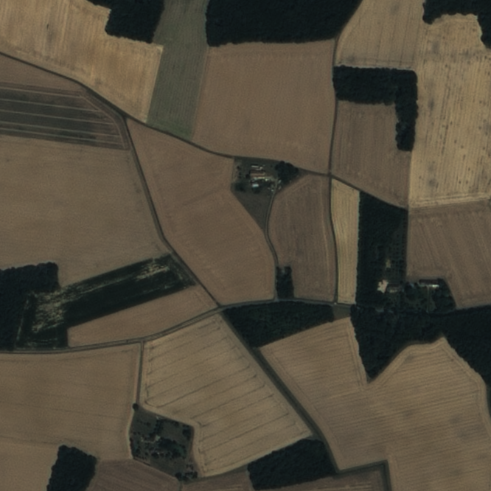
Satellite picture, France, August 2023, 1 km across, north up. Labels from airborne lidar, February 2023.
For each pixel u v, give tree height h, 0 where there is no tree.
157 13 17
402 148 9
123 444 0
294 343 0
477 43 0
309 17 23
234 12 21
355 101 13
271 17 18
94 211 0
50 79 0
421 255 0
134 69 0
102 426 0
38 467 0
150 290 0
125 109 0
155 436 10
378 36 0
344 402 0
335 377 0
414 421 0
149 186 0
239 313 11
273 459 12
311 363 0
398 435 0
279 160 0
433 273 0
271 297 0
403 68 0
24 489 0
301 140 0
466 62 0
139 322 0
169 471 0
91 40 0
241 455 0
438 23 0
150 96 0
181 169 0
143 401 0
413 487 0
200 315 0
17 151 0
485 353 21
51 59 0
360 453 0
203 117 0
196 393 0
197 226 0
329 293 0
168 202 0
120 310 0
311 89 0
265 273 0
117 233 0
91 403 0
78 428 0
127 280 0
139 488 0
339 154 0
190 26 0
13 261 0
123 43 0
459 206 0
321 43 0
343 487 0
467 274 0
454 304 16
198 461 0
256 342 10
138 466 0
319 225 0
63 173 0
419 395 0
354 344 0
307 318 6
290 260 0
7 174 0
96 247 0
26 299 11
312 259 0
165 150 0
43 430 0
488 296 0
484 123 0
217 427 0
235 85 0
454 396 0
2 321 24
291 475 13
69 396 0
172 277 0
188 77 0
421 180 0
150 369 0
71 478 15
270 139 0
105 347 0
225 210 0
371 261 8
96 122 0
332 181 0
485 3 20
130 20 18
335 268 0
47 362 0
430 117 0
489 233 0
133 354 0
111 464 0
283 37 12
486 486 0
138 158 0
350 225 0
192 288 0
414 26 0
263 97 0
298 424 0
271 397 0
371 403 0
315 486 0
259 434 0
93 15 0
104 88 0
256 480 14
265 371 0
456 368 0
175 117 0
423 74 0
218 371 0
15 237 0
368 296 17
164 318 0
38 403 0
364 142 0
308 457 16
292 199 0
